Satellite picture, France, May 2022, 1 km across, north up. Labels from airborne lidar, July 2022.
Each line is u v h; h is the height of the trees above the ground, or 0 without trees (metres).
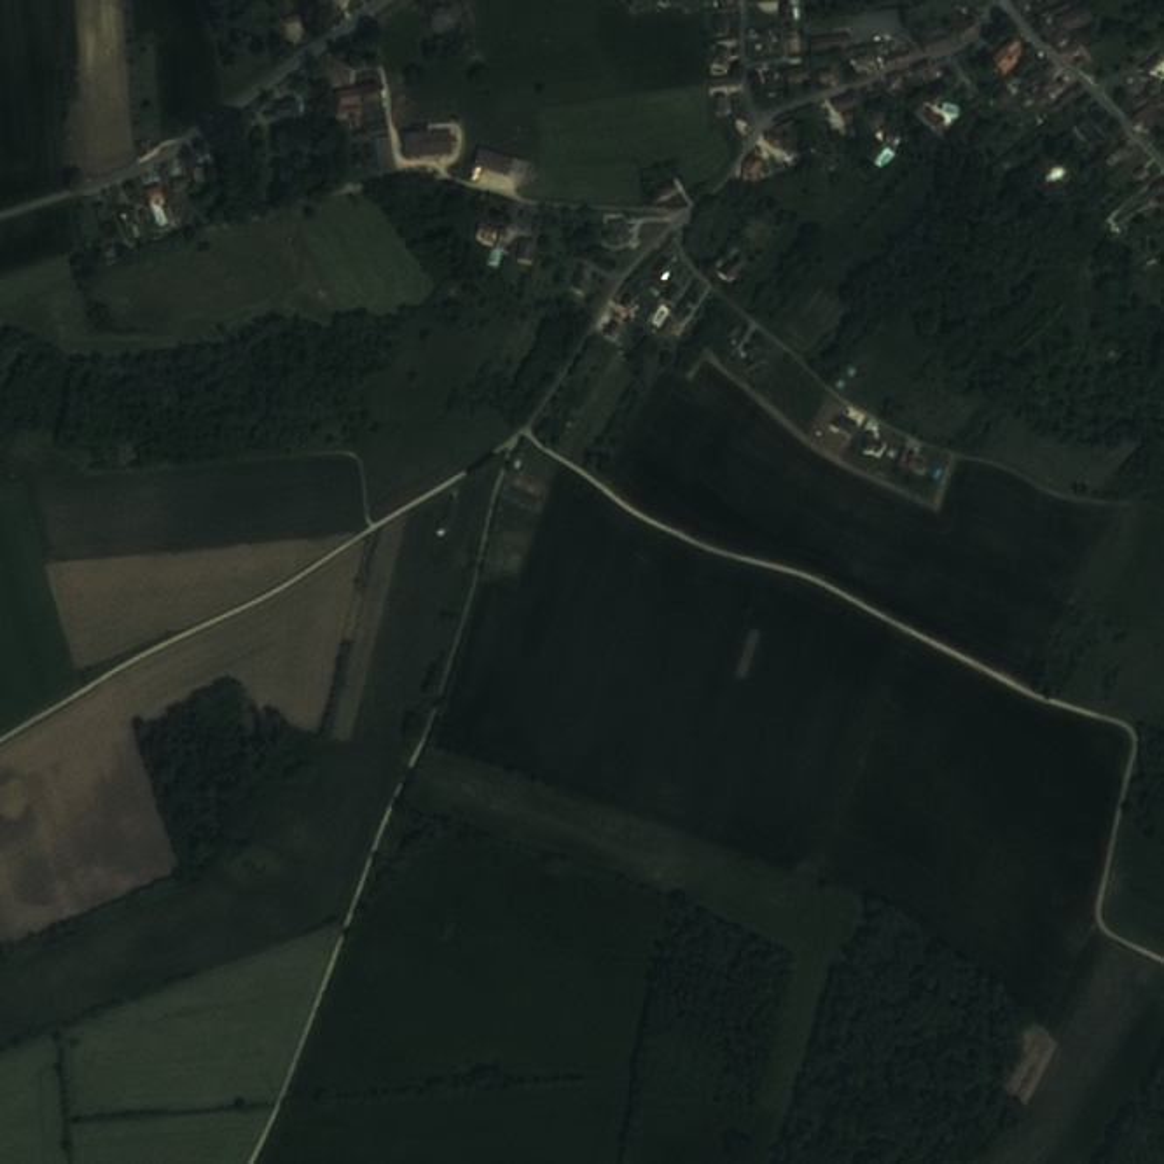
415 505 0
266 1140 0
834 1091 21
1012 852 0
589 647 0
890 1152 27
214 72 0
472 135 0
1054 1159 0
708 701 0
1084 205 13
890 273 20
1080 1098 0
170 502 0
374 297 0
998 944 0
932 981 25
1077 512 0
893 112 9
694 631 0
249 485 0
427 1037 0
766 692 0
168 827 16
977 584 0
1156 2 13
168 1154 0
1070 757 0
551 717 0
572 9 0
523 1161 0
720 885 0
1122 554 0
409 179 13
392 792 0
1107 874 0
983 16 0
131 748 0
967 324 29
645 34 0
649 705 0
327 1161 0
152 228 0
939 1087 23
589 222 8
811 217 0
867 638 0
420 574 0
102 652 0
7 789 0
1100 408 18
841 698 0
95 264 7
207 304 0
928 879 0
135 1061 0
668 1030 19
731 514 0
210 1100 0
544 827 0
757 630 0
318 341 10
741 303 0
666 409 0
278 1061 0
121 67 0
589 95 0
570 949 0
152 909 0
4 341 8
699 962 19
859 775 0
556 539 0
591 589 0
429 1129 0
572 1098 0
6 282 0
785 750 0
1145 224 13
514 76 0
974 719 0
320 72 26
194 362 22
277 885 0
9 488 0
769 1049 16
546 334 13
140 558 0
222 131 24
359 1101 7
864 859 0
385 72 0
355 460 0
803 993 0
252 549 0
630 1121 10
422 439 0
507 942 0
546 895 0
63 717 0
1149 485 6
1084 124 0
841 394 0
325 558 0
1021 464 0
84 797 0
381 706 0
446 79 0
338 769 0
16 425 13
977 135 15
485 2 0
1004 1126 12
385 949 0
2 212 0
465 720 0
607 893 0
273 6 14
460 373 0
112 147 0
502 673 0
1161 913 0
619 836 0
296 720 0
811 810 0
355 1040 0
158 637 0
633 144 0
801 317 0
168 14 0
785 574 0
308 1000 0
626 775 0
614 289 0
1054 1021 0
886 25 0
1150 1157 13
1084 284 0
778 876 0
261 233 0
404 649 0
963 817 0
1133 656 0
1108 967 0
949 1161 22
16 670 0
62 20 0
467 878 0
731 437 0
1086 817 0
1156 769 15
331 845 0
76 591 0
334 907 0
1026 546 0
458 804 0
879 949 23
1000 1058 25
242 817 31
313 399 20
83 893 0
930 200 13
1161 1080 16
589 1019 0
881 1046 28
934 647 0
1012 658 0
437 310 8
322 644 0
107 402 15
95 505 0
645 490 0
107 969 0
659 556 0
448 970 0
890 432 0
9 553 0
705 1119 0
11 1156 0
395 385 0
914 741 0
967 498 0
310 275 0
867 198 0
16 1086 0
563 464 0
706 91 0
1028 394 14
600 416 0
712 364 0
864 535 0
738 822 0
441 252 14
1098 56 0
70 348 0
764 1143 0
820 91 8
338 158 25
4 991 0
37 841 0
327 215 0
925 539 0
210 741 18
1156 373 18
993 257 28
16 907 0
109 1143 0
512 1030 0
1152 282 0
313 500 0
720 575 0
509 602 0
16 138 0
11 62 0
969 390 11
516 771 11
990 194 23
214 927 0
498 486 0
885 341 0
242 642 0
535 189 0
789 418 0
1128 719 0
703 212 12
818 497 0
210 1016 0
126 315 0
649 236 0
